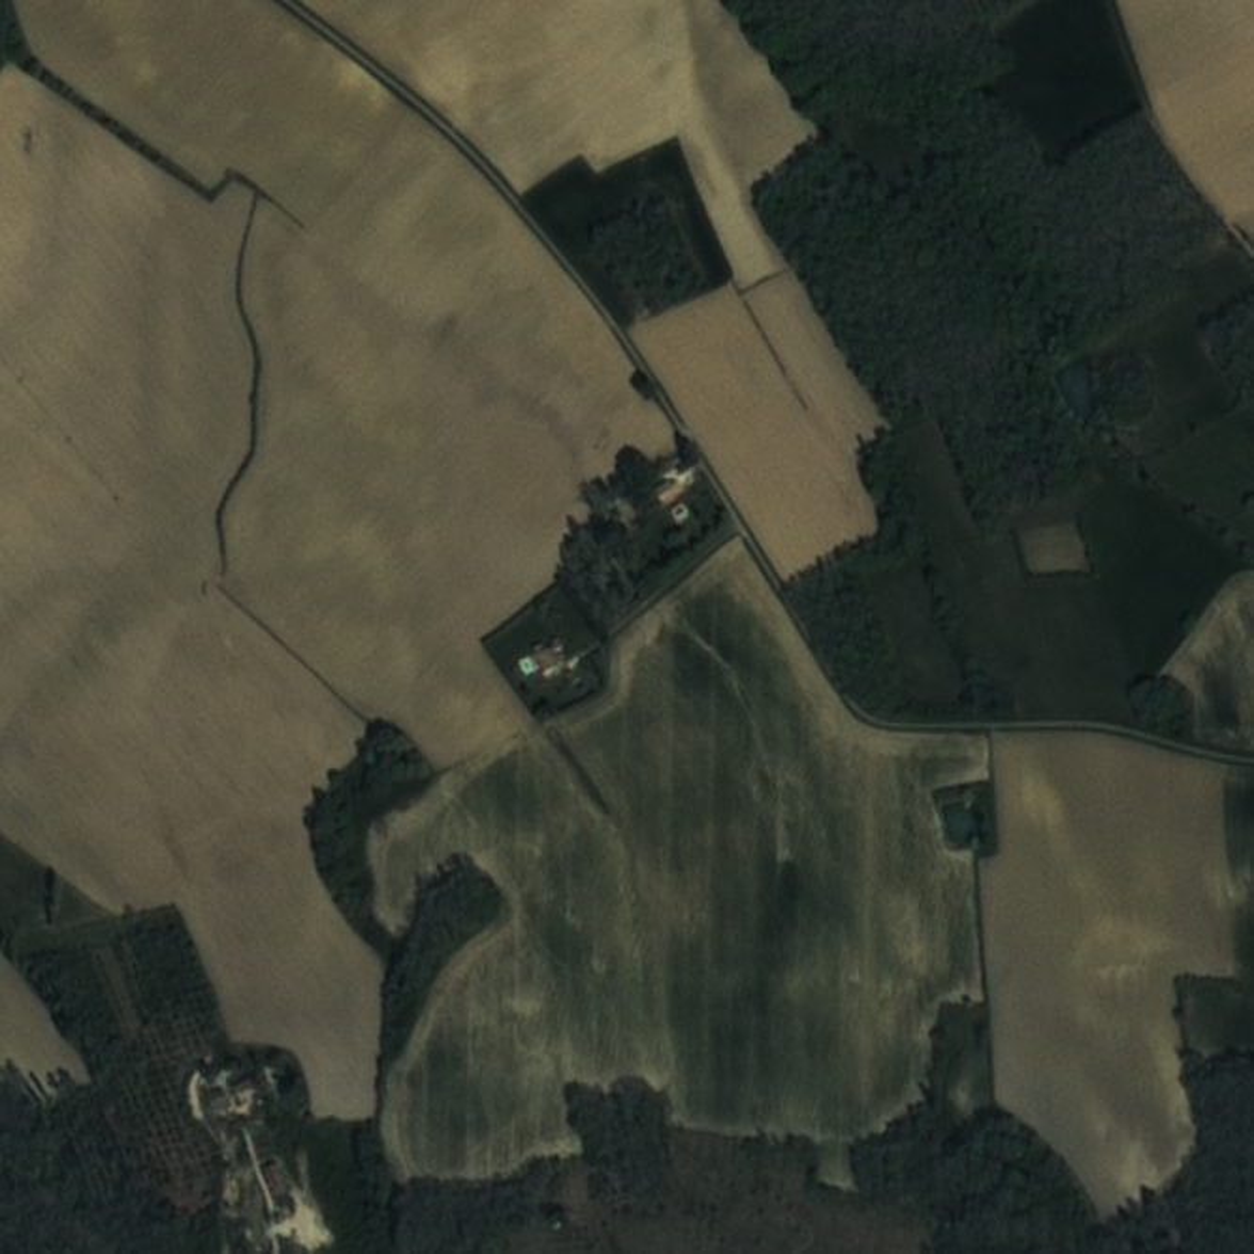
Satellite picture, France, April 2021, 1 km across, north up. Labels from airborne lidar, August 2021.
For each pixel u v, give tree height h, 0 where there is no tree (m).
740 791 0
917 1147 10
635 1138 17
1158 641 0
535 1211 12
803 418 0
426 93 0
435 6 0
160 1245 25
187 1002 6
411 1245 21
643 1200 10
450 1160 0
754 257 0
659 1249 0
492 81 0
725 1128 0
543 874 0
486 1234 15
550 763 0
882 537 8
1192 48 0
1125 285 22
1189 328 0
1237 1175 13
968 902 0
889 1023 0
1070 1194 6
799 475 0
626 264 13
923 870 0
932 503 0
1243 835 0
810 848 0
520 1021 0
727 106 0
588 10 0
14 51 13
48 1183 25
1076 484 18
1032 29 0
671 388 0
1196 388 0
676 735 0
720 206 0
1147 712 9
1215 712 0
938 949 0
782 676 0
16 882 0
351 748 0
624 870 0
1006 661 0
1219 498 0
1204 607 0
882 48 17
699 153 0
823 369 0
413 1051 0
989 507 16
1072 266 19
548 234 0
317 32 0
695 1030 0
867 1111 0
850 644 22
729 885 0
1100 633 0
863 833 0
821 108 24
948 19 19
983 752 0
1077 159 18
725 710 0
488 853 0
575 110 0
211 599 0
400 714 0
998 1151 27
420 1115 0
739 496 0
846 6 20
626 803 0
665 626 0
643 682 0
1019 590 0
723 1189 6
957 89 20
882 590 0
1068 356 13
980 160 22
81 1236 25
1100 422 14
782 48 22
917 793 0
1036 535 0
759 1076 0
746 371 0
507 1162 0
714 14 0
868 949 0
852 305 20
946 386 20
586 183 0
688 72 0
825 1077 0
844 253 20
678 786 0
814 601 19
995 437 15
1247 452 0
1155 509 0
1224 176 0
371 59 0
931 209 9
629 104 0
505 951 0
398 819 0
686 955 0
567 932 0
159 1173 9
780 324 0
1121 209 19
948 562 0
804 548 0
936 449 0
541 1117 0
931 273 21
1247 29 0
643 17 0
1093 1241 11
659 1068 0
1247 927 0
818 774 0
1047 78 0
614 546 33
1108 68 0
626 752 0
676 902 0
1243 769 0
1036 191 22
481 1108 0
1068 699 0
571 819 0
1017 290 6
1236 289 0
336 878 26
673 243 10
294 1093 20
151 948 7
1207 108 0
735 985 0
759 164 0
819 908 0
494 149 0
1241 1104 21
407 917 0
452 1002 0
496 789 0
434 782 0
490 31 0
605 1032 0
